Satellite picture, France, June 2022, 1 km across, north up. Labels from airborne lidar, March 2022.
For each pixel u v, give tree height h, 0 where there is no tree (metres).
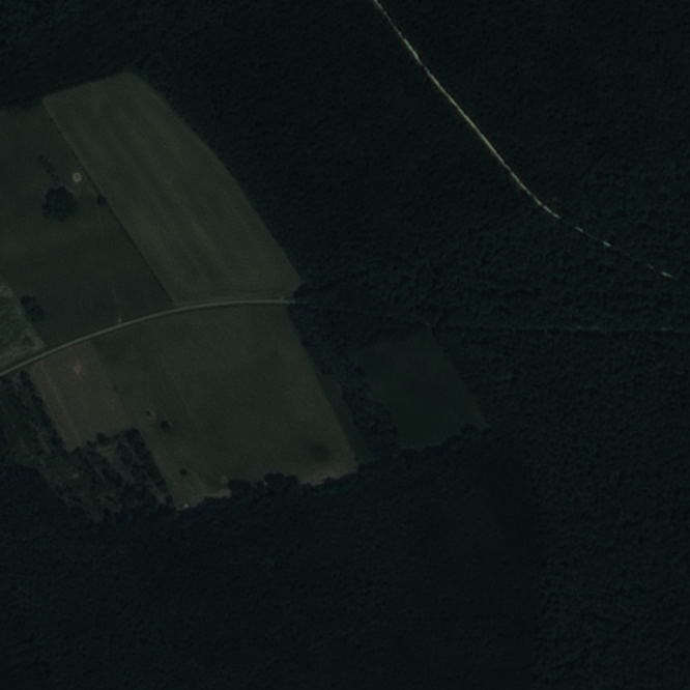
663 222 23
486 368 21
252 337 0
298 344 0
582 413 23
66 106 0
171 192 0
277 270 0
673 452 20
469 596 14
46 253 0
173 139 0
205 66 24
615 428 21
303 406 0
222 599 19
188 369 0
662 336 20
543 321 22
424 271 23
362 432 11
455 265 21
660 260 23
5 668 7
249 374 0
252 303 0
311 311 19
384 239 21
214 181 0
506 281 25
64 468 0
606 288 19
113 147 0
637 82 21
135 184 0
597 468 20
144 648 17
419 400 0
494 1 20
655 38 21
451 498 17
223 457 0
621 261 26
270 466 0
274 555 20
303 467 0
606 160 18
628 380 23
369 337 22
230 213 0
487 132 19
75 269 0
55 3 22
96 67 12
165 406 0
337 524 13
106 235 0
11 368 0
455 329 21
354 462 0
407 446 0
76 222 0
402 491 14
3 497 24
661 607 20
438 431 0
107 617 18
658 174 22
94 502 0
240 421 0
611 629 19
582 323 20
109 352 0
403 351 0
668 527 21
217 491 0
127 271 0
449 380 0
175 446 0
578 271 21
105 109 0
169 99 8
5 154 0
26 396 0
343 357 22
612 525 24
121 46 15
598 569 20
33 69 17
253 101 25
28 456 0
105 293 0
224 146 16
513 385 21
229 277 0
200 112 19
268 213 14
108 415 0
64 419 0
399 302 24
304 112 24
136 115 0
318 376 0
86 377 0
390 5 22
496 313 24
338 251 18
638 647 18
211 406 0
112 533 22
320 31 22
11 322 0
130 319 0
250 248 0
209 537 20
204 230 0
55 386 0
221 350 0
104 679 18
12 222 0
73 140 0
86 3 15
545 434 21
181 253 0
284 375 0
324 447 0
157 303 0
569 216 20
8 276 0
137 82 0
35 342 0
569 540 17
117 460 0
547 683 17
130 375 0
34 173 0
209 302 0
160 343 0
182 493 0
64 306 0
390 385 0
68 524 20
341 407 0
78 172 0
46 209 11
